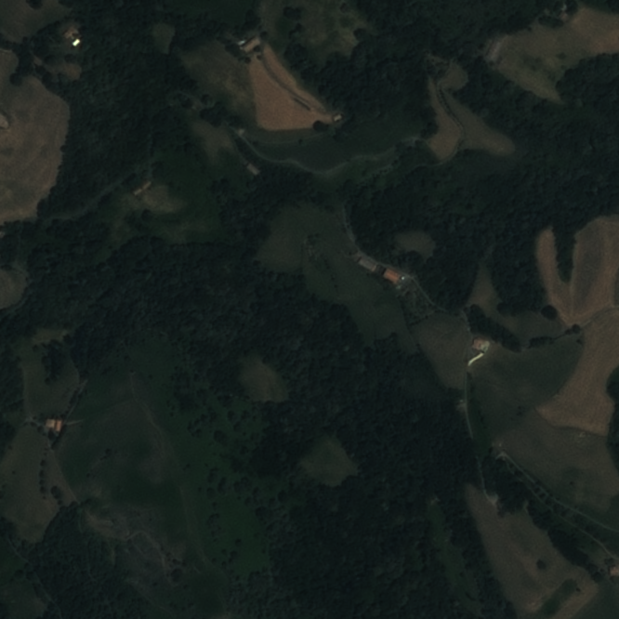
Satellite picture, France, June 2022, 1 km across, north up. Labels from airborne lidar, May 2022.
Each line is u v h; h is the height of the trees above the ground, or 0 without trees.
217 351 18
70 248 8
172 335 14
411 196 16
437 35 9
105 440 0
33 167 0
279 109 0
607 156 22
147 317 8
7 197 0
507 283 10
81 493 0
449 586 20
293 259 0
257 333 19
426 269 14
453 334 0
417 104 14
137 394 0
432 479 26
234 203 17
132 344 10
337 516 20
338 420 25
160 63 28
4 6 0
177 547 0
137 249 28
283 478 12
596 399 0
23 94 0
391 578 10
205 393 19
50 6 0
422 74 23
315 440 9
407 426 25
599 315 0
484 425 10
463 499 8
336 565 27
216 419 14
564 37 0
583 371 0
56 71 0
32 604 0
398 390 14
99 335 14
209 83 0
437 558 21
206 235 0
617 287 0
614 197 25
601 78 28
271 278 20
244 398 6
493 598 6
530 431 0
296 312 21
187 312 15
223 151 0
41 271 12
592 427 0
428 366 9
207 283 11
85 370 7
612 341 0
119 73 12
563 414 0
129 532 0
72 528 10
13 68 0
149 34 7
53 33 18
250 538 0
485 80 15
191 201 0
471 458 15
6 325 15
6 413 21
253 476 7
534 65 0
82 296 20
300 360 10
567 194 24
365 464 21
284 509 14
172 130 26
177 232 0
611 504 0
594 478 0
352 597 25
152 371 0
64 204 10
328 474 0
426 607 21
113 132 13
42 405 0
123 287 21
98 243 23
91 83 17
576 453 0
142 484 0
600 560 0
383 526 22
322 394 18
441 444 21
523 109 14
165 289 16
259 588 21
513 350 12
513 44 0
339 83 19
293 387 11
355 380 18
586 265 0
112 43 17
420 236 0
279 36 0
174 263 25
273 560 8
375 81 24
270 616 15
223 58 0
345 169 0
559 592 0
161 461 0
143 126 21
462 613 23
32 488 0
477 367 0
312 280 0
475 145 0
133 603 6
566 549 18
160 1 12
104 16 22
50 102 0
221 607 0
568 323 0
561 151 14
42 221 11
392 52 8
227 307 17
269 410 14
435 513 0
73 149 9
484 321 18
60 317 21
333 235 0
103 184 10
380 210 24
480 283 0
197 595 0
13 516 0
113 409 0
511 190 14
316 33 0
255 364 0
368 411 28
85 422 0
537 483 7
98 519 0
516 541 0
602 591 0
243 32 9
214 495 15
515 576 0
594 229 0
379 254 15
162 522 0
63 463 0
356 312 0
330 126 10
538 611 0
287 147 0
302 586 28
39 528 0
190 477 0
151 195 0
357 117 14
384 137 0
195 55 0
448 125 0
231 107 0
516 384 0
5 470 0
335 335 18
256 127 0
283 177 11
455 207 16
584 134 20
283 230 0
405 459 18
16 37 0
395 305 0
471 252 14
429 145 0
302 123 0
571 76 18
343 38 0
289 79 0
